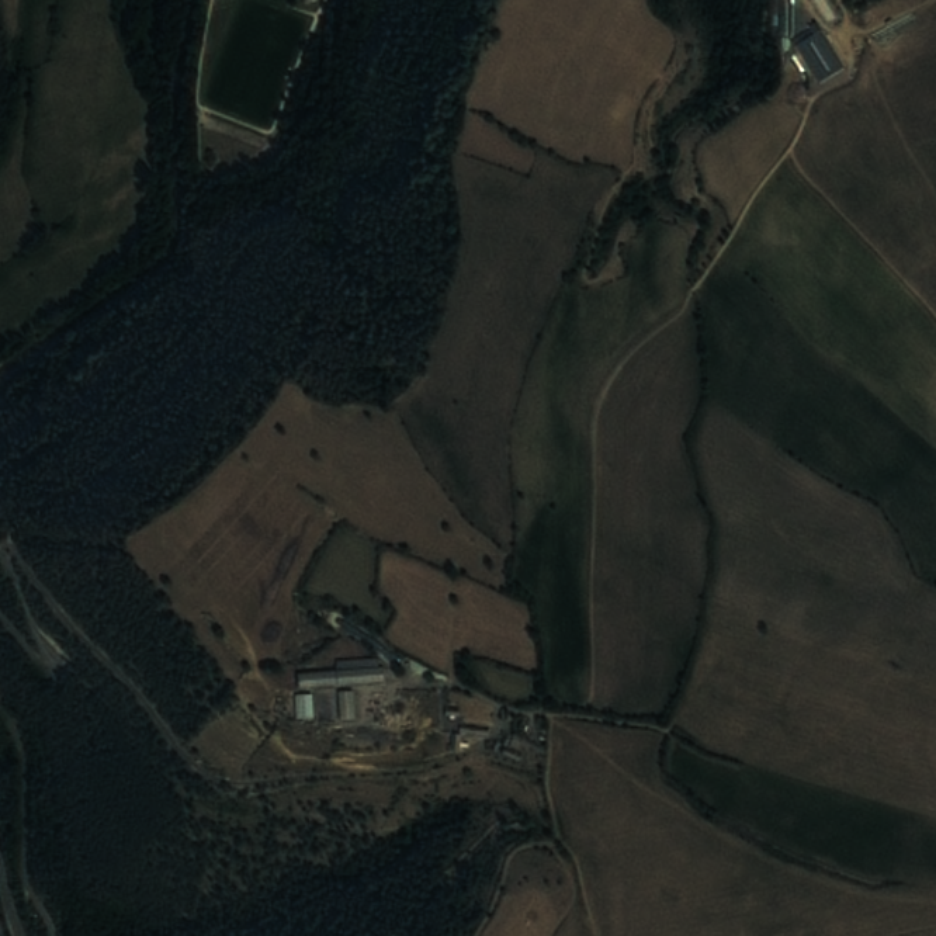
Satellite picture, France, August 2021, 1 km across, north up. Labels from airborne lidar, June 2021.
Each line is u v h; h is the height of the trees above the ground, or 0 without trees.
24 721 17
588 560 0
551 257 0
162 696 13
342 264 36
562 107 0
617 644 0
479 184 0
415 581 0
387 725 0
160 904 17
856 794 0
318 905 18
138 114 0
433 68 14
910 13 0
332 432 0
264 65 0
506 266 0
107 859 18
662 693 0
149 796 18
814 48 0
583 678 0
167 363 23
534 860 0
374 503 0
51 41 0
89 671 12
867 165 0
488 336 0
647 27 0
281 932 18
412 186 27
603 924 0
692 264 12
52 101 0
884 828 0
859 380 0
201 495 0
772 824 0
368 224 28
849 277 0
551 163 0
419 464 0
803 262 0
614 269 0
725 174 0
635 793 0
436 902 16
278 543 0
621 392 0
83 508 16
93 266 0
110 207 0
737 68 11
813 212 0
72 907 13
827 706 0
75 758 17
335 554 0
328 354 23
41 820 18
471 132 0
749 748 0
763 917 0
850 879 0
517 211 0
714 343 0
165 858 18
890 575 0
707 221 12
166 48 22
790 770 0
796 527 0
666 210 0
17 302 0
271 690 0
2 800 21
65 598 13
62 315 25
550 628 0
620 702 0
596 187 0
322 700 0
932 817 0
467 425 0
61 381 18
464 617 0
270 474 0
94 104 0
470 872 14
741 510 0
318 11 0
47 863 21
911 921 0
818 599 0
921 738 0
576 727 0
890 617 0
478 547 0
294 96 14
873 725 0
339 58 17
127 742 18
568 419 0
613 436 0
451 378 0
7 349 15
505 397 0
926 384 0
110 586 23
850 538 0
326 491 0
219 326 19
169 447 20
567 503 0
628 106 0
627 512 0
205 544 0
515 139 7
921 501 0
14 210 0
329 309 32
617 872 0
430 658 0
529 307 0
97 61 0
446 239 8
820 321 0
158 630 18
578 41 0
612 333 0
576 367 0
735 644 0
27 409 12
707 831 0
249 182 19
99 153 0
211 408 22
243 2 0
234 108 0
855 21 0
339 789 6
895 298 0
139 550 0
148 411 16
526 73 0
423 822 11
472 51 11
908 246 0
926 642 0
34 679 16
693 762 0
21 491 28
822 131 0
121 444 15
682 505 0
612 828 0
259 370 24
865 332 0
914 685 0
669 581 0
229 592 0
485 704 0
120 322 16
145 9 20
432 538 0
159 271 20
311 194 8
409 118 8
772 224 0
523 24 0
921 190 0
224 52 0
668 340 0
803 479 0
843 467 0
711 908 0
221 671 9
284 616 0
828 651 0
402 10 12
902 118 0
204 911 16
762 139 0
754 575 0
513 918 0
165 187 21
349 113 9
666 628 0
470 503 0
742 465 0
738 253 0
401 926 19
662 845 0
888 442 0
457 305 0
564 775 0
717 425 0
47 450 10
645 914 0
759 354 0
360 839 13
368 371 15
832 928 0
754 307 0
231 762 0
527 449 0
